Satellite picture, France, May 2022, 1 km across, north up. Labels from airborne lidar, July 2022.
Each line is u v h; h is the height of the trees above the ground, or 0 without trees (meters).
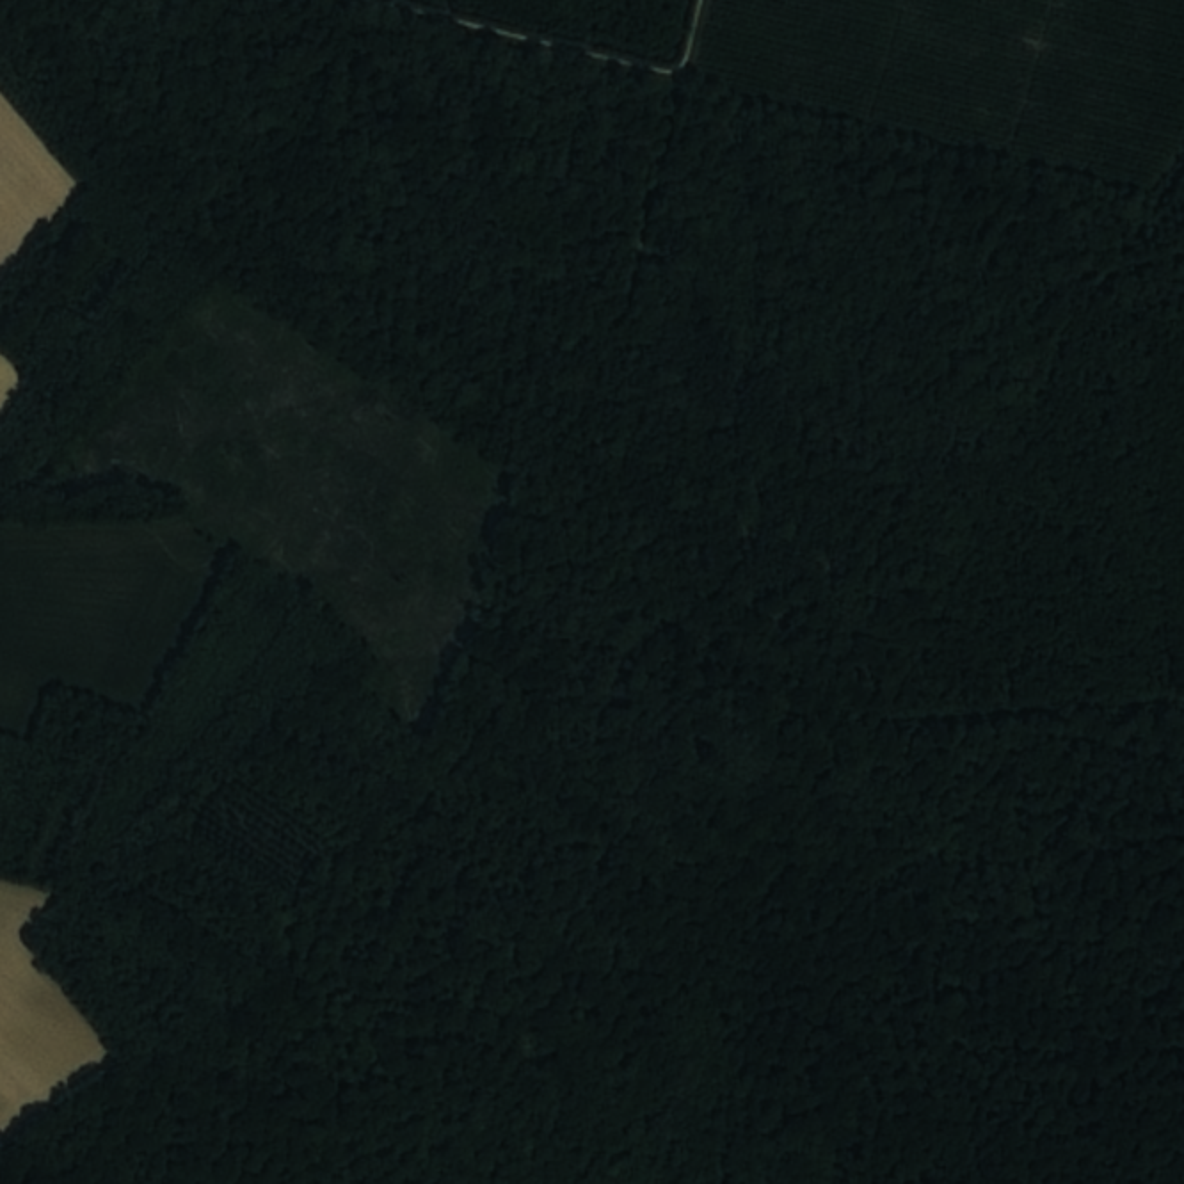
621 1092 24
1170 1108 25
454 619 0
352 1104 28
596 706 24
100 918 17
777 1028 27
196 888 25
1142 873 29
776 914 27
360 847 22
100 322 23
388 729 23
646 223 12
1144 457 17
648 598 20
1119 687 17
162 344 23
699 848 24
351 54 21
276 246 25
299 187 21
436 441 0
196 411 0
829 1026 27
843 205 22
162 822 22
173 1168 25
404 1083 19
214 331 0
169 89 27
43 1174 23
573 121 15
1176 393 17
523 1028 24
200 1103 21
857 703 25
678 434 19
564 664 26
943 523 22
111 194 20
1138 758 21
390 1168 21
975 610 19
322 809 27
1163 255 21
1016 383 22
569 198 25
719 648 27
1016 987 27
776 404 23
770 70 5
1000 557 19
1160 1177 24
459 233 22
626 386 23
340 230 26
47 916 12
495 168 18
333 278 21
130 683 0
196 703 17
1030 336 21
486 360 29
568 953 24
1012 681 16
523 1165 20
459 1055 21
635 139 23
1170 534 16
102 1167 22
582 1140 25
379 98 25
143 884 15
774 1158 24
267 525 0
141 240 20
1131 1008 25
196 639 22
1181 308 23
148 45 19
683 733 20
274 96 24
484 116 25
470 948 26
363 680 29
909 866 22
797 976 29
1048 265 26
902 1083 29
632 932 24
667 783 25
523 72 16
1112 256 22
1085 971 25
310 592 26
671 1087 23
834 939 26
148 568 0
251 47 18
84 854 14
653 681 20
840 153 15
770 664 24
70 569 0
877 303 19
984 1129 25
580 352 24
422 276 29
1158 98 6
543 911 22
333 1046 19
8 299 20
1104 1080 26
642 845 23
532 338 27
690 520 21
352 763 18
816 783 20
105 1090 23
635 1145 22
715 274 17
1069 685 17
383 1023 22
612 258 23
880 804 24
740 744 25
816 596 18
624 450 21
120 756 23
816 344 23
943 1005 26
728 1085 21
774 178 22
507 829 13
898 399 21
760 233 16
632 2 15
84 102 20
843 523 22
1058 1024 27
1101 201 19
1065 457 18
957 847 21
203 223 28
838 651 24
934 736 23
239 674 19
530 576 24
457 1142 21
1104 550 19
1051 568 16
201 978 24
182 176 24
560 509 24
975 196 25
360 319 21
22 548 0
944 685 18
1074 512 16
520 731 23
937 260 19
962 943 24
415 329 12
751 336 17
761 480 18
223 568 20
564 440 28
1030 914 18
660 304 21
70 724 17
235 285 20
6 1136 8
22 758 20
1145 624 17
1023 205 19
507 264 23
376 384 22
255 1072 22
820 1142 23
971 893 23
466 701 21
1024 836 22
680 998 24
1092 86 6
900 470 21
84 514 20
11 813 20
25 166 0
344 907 24
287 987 24
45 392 23
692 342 26
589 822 28
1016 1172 25
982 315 25
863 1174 25
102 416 22
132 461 0
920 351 23
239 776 23
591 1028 21
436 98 20
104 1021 18
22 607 0
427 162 22
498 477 0
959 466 26
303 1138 25
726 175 19
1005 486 22
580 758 20
